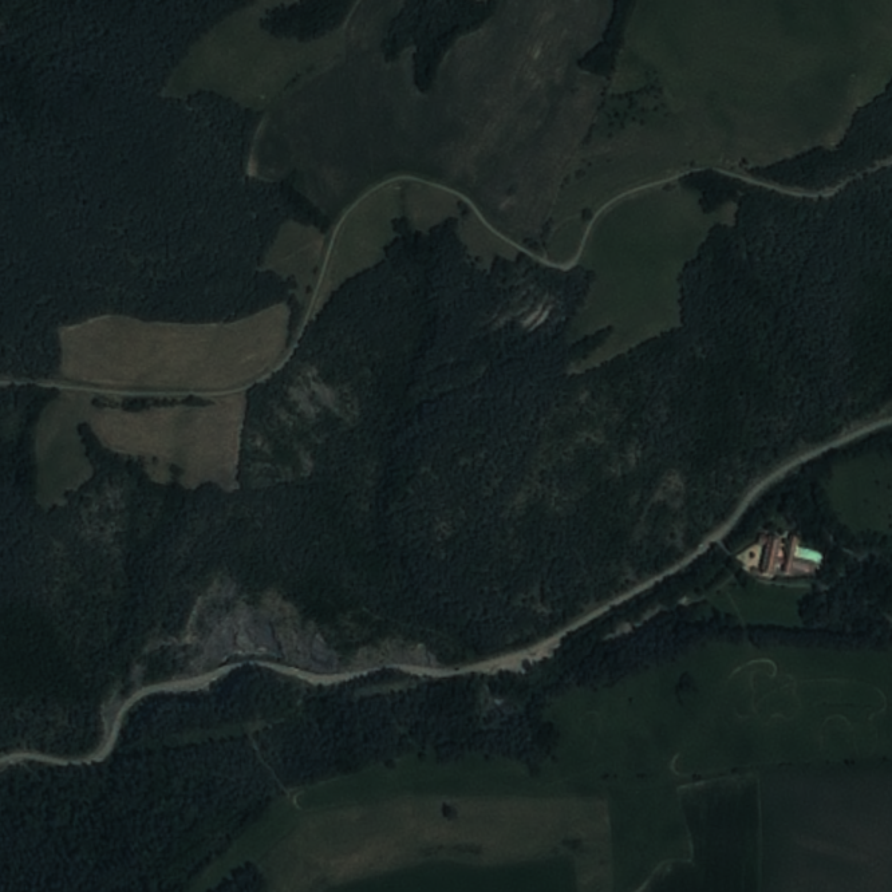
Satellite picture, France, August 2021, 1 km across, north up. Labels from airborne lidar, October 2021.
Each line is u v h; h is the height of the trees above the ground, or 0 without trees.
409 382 9
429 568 14
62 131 12
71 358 0
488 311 9
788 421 13
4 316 11
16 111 10
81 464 0
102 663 16
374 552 13
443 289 10
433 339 6
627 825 0
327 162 0
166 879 7
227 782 11
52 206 8
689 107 0
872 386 8
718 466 10
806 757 0
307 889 0
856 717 0
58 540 9
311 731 13
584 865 0
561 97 0
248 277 7
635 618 19
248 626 0
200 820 6
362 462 9
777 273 13
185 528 8
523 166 0
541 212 0
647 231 0
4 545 14
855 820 0
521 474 6
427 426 12
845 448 7
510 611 9
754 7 0
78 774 18
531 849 0
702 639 21
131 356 0
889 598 13
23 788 9
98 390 0
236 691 10
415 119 0
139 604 13
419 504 7
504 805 0
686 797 0
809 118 0
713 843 0
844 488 0
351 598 9
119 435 0
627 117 6
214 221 9
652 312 0
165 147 11
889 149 10
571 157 0
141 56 13
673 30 0
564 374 6
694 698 0
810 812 0
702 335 13
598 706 0
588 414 6
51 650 13
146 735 13
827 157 13
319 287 0
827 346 14
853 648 22
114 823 13
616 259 0
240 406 0
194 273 9
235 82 0
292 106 0
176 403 8
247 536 10
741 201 8
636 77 0
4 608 11
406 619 12
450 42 15
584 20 0
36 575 8
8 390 7
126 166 13
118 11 15
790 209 10
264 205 11
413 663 0
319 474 13
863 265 11
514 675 14
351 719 15
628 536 11
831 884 0
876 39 0
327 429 9
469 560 10
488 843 0
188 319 9
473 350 14
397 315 12
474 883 0
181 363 0
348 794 0
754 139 0
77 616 12
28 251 9
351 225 0
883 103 13
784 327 14
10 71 16
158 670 11
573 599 10
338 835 0
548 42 0
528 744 12
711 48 0
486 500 10
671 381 9
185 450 0
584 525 9
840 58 0
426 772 0
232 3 12
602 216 0
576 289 7
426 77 17
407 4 7
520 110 0
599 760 0
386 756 12
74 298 11
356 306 10
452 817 17
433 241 14
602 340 11
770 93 0
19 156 9
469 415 9
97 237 10
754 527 13
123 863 9
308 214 14
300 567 9
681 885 0
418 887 0
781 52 0
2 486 10
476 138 0
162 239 8
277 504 9
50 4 11
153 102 6
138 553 8
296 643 0
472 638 11
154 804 10
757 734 0
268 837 0
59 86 13
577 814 0
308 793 0
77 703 7
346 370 10
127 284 11
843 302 8
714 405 14
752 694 0
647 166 0
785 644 21
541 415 9
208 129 7
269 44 0
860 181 10
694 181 14
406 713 13
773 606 0
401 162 0
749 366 17
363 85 0
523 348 10
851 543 14
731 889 0
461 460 9
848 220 12
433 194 0
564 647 10
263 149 0
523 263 9
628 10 13
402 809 0
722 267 13
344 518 12
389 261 9
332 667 0
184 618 10
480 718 12
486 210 0
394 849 0
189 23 13
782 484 8
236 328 0
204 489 10
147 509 8
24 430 5
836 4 0
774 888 0
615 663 20
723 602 0
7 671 14
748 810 0
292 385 6
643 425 11
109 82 7
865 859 0
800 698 0
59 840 12
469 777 0
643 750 0
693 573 15
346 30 0
